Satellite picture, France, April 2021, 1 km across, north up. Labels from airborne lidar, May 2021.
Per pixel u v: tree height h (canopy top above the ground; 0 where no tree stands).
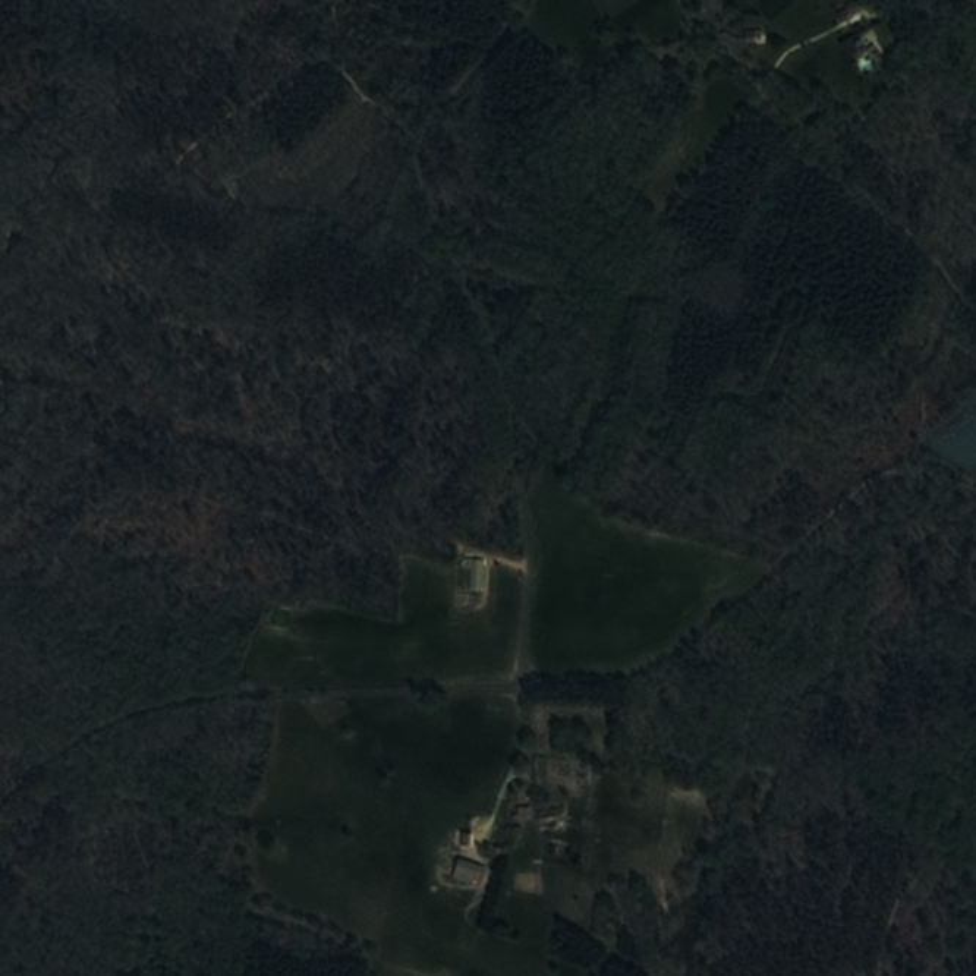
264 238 19
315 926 13
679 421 10
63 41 23
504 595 0
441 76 16
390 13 19
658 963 18
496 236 24
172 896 15
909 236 15
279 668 0
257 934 14
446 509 18
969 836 22
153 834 7
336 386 16
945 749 18
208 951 23
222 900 13
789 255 19
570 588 0
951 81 17
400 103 6
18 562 10
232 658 12
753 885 24
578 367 16
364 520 19
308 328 17
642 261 20
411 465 11
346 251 24
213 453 19
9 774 14
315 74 22
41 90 9
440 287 17
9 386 16
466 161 13
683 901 8
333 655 0
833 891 16
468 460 12
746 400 8
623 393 17
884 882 18
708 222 19
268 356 12
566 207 22
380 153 12
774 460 17
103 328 10
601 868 0
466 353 15
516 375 15
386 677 0
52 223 19
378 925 0
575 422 17
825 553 8
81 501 10
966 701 18
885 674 8
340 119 13
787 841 9
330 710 0
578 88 14
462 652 0
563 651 0
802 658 23
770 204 16
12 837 12
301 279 21
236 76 16
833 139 14
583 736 18
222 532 6
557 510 0
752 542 14
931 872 13
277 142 18
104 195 12
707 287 15
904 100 15
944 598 22
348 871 0
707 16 0
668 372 10
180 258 17
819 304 15
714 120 0
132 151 15
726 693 16
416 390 12
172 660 25
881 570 15
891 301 19
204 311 21
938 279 11
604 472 19
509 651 0
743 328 17
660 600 0
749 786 0
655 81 16
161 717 13
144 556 9
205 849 13
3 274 19
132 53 25
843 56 0
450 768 0
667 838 0
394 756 0
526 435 15
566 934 16
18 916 21
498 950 0
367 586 15
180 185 18
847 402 10
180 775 23
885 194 22
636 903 17
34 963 18
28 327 15
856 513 23
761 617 19
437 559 15
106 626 18
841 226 19
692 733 18
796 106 16
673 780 17
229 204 21
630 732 16
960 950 16
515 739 0
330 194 14
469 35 20
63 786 17
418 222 18
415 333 18
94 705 13
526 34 16
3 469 22
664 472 6
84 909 20
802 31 0
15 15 25
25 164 24
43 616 16
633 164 21
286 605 10
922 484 18
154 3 13
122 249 12
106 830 13
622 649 0
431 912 0
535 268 21
